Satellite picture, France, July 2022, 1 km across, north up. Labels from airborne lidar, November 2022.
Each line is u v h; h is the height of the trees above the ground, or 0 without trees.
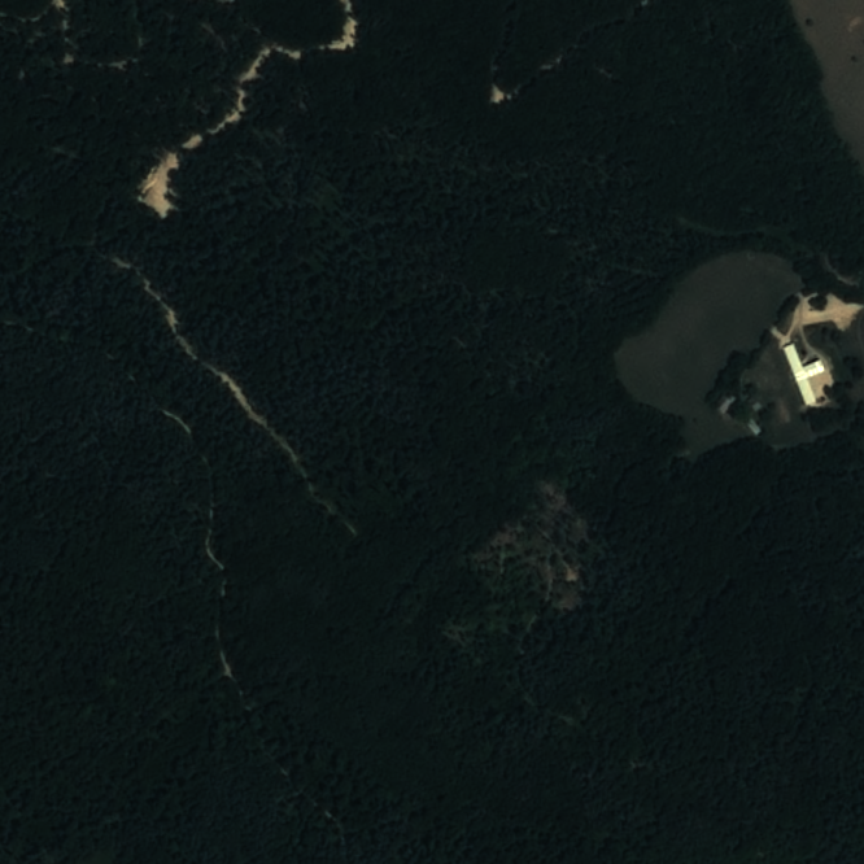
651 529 23
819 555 22
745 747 20
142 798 26
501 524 23
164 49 24
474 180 18
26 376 15
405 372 24
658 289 20
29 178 28
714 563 22
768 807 26
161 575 17
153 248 20
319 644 15
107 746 20
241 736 16
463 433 19
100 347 18
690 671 16
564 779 15
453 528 23
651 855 15
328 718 14
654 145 20
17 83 31
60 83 21
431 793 14
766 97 21
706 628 26
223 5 20
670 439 18
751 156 19
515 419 31
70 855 18
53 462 18
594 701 11
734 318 0
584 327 24
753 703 15
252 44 19
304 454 25
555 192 20
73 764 17
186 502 18
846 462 19
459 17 20
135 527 16
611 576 29
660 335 0
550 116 21
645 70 19
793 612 24
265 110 19
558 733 18
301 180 26
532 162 17
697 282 0
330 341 35
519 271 23
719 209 17
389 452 23
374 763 14
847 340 0
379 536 11
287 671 22
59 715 17
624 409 16
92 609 26
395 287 20
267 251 23
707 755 23
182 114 24
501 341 20
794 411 0
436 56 17
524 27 24
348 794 6
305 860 24
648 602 13
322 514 18
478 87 19
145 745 18
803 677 21
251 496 18
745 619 23
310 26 18
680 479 28
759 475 21
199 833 25
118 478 19
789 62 18
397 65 22
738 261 0
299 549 13
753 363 11
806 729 28
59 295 28
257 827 28
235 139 22
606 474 19
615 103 22
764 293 0
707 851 16
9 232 28
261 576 13
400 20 24
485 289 23
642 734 17
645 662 13
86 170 28
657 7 19
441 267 23
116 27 21
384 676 16
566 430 29
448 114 22
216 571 13
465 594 10
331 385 27
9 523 13
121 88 19
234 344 29
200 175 21
